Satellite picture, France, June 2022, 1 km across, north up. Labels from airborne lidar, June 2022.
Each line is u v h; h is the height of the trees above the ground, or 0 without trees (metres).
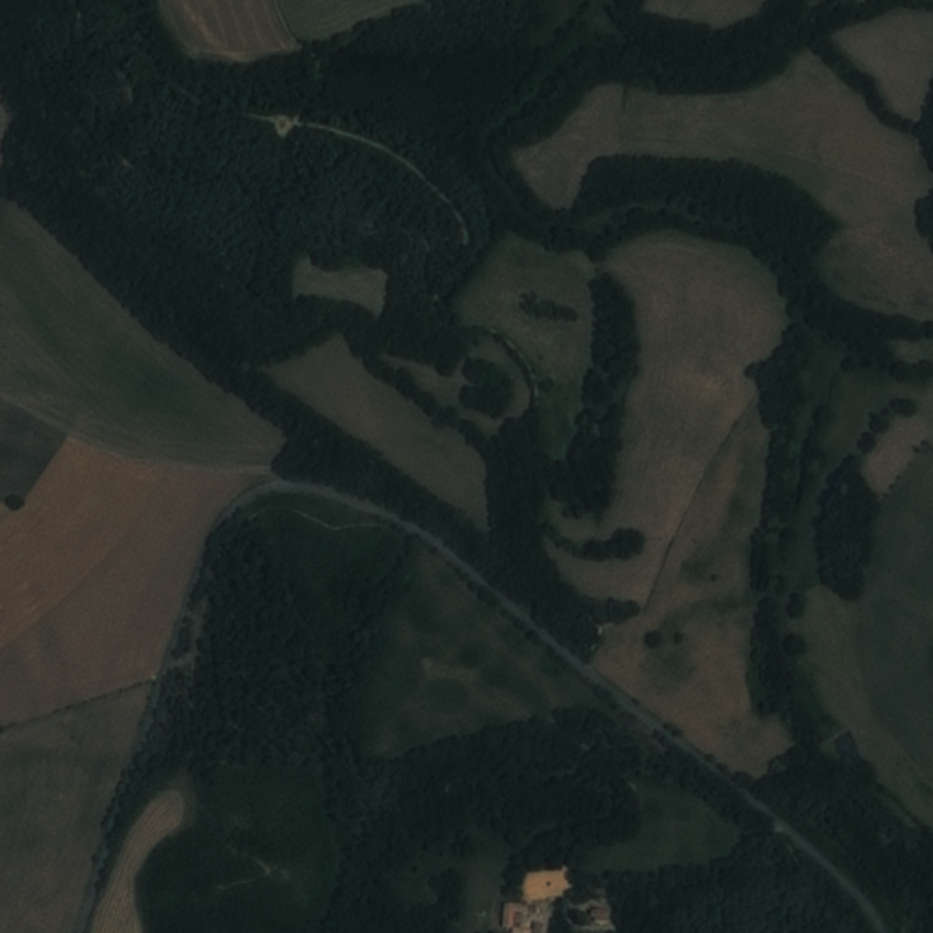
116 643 0
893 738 0
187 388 0
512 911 0
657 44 22
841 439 0
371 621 16
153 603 0
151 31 23
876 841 12
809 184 0
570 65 6
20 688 0
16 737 0
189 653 10
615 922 16
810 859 10
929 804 0
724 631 0
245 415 0
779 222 16
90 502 0
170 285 19
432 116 11
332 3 0
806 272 25
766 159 0
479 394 19
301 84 25
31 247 0
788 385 23
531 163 0
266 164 19
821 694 0
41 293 0
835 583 18
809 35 20
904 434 0
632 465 0
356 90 12
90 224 13
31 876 0
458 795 22
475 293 0
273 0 0
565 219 17
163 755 10
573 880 19
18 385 0
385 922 21
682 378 0
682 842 0
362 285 0
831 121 0
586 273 0
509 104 18
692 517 0
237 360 19
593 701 0
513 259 0
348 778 26
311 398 0
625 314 17
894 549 0
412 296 13
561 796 25
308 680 24
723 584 0
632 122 0
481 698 0
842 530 24
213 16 0
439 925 12
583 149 0
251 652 21
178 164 20
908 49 0
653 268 0
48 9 18
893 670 0
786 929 24
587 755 17
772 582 21
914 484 0
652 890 12
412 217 12
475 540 17
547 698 0
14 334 0
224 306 20
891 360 21
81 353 0
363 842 23
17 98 14
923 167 0
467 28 20
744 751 0
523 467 18
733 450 0
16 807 0
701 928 26
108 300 0
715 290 0
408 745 0
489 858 0
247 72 21
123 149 15
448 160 24
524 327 0
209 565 14
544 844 25
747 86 13
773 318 0
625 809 24
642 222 16
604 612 22
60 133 16
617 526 0
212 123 22
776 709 18
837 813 16
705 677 0
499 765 13
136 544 0
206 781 11
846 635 0
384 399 0
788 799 16
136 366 0
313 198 18
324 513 0
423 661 0
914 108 0
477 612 0
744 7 0
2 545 0
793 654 17
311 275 0
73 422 0
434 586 0
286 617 27
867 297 0
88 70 20
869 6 11
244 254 22
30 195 17
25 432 0
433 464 0
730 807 17
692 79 25
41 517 0
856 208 0
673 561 0
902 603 0
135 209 21
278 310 21
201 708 9
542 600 17
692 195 21
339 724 22
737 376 0
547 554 16
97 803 0
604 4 0
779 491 26
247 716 22
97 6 18
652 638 16
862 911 14
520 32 19
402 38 19
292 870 0
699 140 0
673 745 11
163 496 0
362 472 18
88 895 0
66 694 0
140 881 0
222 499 0
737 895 26
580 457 27
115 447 0
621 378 20
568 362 0
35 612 0
